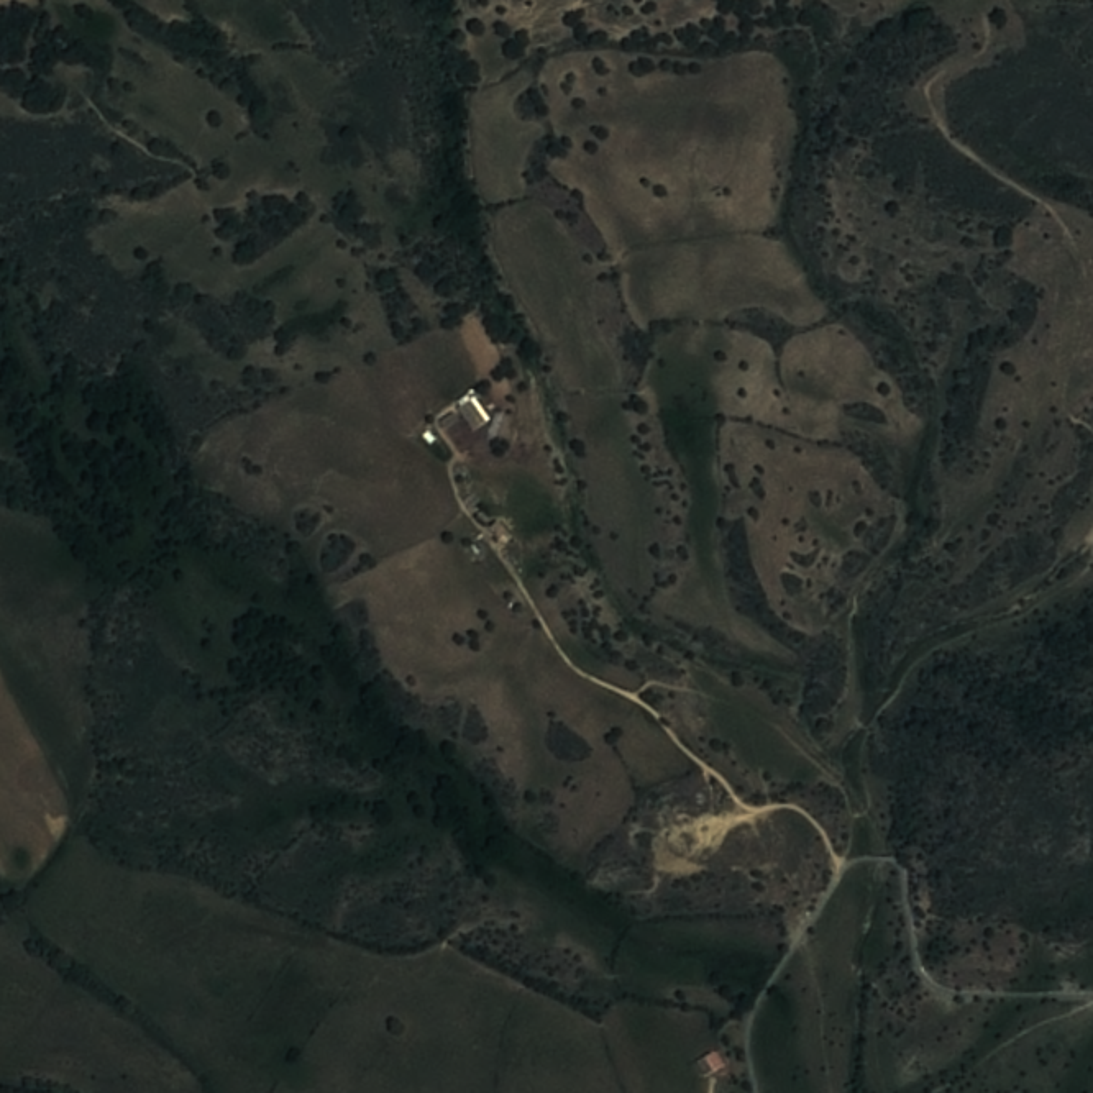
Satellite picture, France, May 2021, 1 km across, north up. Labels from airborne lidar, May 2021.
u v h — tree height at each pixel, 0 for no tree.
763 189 0
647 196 0
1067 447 0
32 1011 0
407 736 14
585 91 0
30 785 0
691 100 0
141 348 10
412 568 0
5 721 0
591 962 0
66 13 0
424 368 0
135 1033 0
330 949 0
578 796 0
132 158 0
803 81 0
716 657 0
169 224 0
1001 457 0
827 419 0
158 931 0
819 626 0
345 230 0
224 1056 0
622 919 0
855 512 0
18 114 0
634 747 0
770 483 0
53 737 0
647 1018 0
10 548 0
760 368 0
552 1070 0
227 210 6
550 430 0
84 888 0
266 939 0
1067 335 0
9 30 12
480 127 0
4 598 0
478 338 0
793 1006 0
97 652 7
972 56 0
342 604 0
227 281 0
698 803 0
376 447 0
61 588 0
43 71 9
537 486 0
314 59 0
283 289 0
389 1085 0
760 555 0
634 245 0
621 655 6
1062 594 0
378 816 12
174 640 0
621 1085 0
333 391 0
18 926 0
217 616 0
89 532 8
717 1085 0
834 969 0
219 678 0
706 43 8
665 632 0
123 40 0
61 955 12
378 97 0
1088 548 0
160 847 6
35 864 0
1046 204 0
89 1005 0
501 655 0
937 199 0
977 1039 0
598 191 0
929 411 0
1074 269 0
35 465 15
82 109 0
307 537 0
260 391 6
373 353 7
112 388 11
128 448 18
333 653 8
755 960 0
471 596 0
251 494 0
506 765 0
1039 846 0
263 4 0
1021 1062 0
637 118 0
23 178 0
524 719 0
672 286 0
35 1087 8
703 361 0
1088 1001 0
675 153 0
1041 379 0
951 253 0
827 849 0
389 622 0
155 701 0
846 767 0
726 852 0
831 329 0
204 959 0
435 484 0
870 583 0
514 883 0
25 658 0
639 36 10
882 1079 0
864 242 0
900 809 7
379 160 0
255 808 0
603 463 0
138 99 0
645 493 0
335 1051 0
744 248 0
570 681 0
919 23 10
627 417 0
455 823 14
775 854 0
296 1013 0
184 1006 0
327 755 6
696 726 0
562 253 0
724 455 0
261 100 11
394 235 0
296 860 0
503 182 0
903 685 0
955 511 0
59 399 12
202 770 0
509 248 0
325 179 0
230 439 0
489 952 10
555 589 7
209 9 0
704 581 0
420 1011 0
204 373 0
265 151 0
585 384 0
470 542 8
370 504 0
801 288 0
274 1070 0
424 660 0
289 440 0
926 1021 0
